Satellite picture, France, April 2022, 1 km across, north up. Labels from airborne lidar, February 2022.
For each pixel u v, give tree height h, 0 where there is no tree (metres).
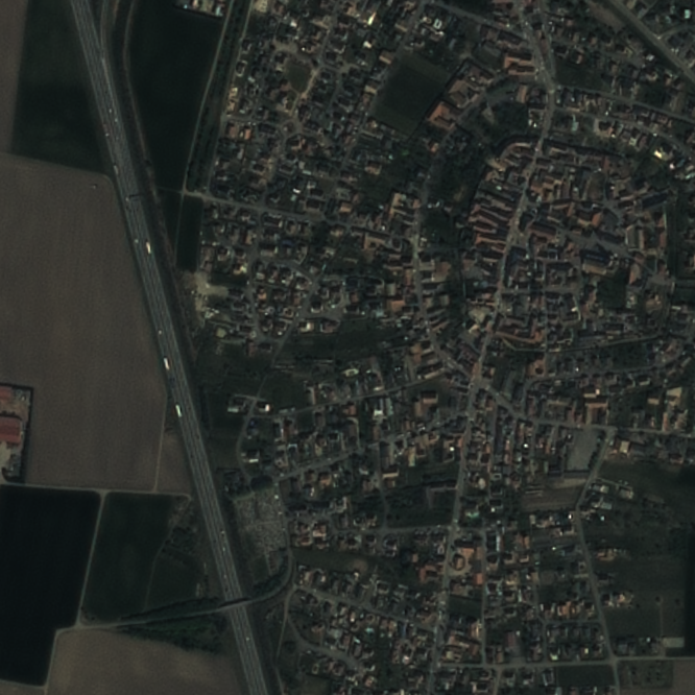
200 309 0
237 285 0
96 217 0
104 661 0
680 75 0
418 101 0
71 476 0
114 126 0
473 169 11
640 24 0
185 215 0
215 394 0
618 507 0
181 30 0
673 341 0
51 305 0
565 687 0
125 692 0
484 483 0
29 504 0
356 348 0
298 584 0
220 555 0
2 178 0
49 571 0
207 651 9
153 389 0
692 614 0
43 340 0
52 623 0
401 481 8
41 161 0
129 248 0
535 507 0
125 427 0
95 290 0
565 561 0
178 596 0
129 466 0
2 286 0
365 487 0
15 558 0
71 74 0
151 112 0
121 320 0
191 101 0
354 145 0
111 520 0
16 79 0
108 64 0
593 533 0
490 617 0
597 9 0
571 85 0
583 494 0
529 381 0
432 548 0
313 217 0
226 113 0
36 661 0
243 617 0
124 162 0
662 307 0
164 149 0
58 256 0
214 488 0
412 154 7
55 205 0
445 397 0
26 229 0
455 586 0
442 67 0
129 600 0
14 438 0
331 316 0
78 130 0
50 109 0
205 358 0
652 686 0
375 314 0
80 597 0
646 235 11
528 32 0
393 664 0
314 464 0
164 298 0
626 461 0
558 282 0
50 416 0
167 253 12
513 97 0
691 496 0
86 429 0
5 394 0
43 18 0
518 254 0
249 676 0
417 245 0
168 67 0
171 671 0
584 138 0
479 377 0
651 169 0
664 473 0
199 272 0
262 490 12
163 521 0
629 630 0
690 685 0
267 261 0
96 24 0
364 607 0
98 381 0
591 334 0
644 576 0
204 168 12
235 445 0
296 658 0
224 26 0
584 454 0
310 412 0
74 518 0
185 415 0
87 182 0
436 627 0
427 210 10
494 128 0
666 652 0
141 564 0
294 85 0
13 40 0
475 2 0
